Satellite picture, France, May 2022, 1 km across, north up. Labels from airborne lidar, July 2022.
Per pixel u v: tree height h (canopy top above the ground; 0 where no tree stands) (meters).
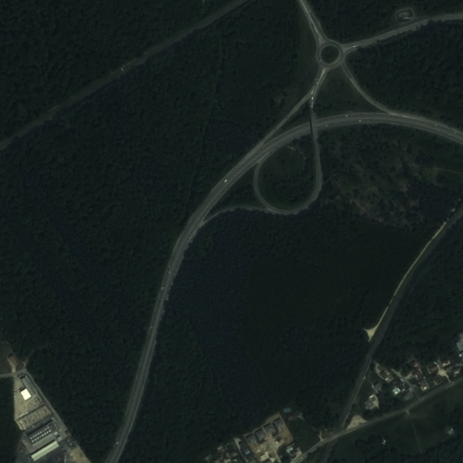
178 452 25
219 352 24
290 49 23
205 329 21
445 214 20
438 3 27
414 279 17
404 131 8
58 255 22
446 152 25
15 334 23
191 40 24
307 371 15
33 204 24
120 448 0
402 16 0
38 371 14
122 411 12
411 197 23
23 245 23
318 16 8
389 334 16
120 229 21
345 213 19
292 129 0
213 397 26
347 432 0
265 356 16
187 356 26
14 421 12
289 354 14
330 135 6
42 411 0
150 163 28
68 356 20
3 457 18
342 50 0
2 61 31
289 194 13
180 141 27
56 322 16
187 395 22
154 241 23
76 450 0
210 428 25
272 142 0
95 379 21
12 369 0
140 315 23
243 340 15
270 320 14
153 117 24
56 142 29
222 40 14
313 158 8
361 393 0
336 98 0
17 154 25
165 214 21
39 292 23
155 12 20
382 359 24
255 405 22
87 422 22
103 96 21
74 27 27
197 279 22
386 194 27
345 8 28
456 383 0
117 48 23
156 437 25
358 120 0
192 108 24
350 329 22
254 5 22
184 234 0
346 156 26
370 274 17
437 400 0
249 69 20
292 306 15
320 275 18
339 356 21
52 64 24
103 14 20
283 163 11
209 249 25
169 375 22
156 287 18
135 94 24
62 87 24
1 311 22
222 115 22
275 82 22
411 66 28
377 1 20
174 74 24
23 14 27
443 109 8
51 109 8
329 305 16
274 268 17
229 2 9
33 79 26
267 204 0
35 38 19
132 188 20
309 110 11
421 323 22
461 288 21
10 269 23
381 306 16
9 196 10
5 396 11
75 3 23
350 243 19
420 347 23
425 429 0
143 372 0
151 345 0
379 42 9
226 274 25
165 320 21
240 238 25
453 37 25
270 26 27
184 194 21
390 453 18
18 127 23
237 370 23
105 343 21
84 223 23
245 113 19
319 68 0
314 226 19
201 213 0
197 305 21
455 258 23
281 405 17
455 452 17
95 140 30
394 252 15
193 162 23
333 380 30
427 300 27
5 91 31
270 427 0
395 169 0
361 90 0
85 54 28
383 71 22
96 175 25
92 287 21
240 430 18
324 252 19
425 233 22
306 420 20
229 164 12
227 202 11
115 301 18
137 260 21
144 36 24
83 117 28
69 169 27
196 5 22
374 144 24
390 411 13
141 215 22
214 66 21
